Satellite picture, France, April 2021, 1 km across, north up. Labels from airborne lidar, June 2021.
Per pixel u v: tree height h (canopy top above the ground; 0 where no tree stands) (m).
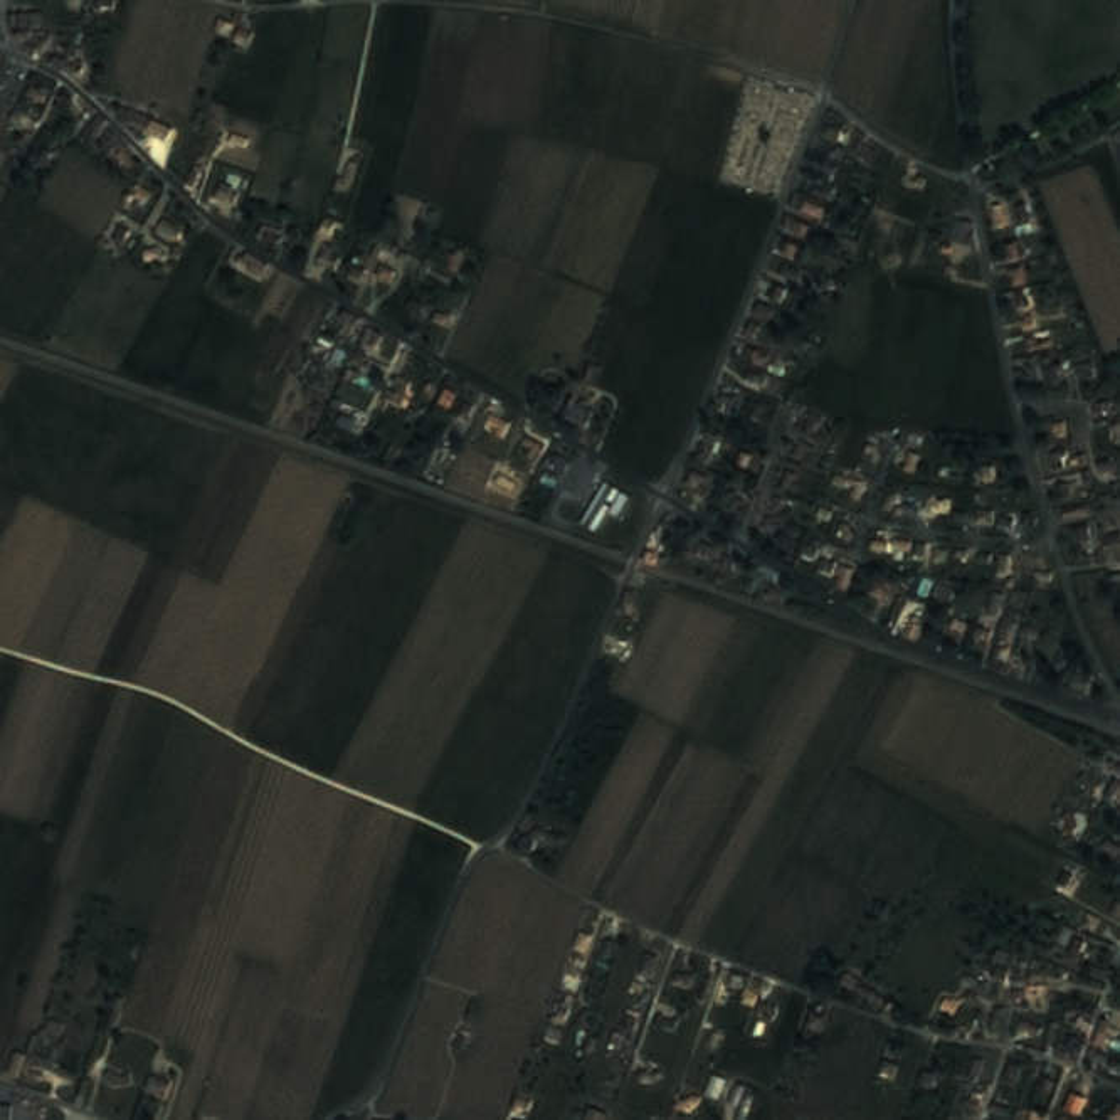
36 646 0
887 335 0
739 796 0
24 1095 0
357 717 0
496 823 0
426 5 0
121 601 0
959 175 0
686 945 0
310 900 0
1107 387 13
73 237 0
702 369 0
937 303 0
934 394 0
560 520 0
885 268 0
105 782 0
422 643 0
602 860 0
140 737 0
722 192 0
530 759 0
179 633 0
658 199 0
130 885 0
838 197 7
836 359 0
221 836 0
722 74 0
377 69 0
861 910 0
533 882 0
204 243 0
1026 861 0
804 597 11
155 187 8
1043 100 0
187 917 0
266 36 0
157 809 0
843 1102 0
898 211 0
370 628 0
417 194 0
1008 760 0
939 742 0
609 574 0
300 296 0
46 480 0
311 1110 0
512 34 0
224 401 0
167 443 0
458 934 0
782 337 17
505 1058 0
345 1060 0
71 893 0
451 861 0
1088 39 0
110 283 0
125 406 0
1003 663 7
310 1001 0
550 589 0
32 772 0
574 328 0
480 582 0
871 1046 0
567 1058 0
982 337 0
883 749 0
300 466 0
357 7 0
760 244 0
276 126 0
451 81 0
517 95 0
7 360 0
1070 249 0
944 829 0
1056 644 0
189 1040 0
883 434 0
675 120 0
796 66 0
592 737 7
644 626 0
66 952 9
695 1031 0
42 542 0
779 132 0
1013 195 8
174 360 0
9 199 0
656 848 0
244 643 0
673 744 0
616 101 0
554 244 0
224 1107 0
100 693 0
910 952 0
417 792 0
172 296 0
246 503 0
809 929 0
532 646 0
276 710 0
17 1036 0
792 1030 0
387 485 0
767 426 8
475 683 0
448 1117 0
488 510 0
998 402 0
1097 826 6
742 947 0
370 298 0
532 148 0
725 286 0
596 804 0
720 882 0
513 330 0
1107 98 14
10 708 0
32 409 0
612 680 0
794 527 0
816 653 0
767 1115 0
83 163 0
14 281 0
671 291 0
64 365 0
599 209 0
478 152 0
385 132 0
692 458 8
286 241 8
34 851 0
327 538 0
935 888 0
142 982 0
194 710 0
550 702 0
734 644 0
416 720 0
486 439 0
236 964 0
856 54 0
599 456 0
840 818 0
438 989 0
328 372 0
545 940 0
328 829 0
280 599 0
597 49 0
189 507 0
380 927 0
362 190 0
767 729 0
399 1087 0
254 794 0
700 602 0
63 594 0
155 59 0
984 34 0
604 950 0
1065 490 0
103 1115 0
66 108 7
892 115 0
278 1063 0
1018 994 0
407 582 0
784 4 0
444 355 0
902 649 0
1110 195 0
